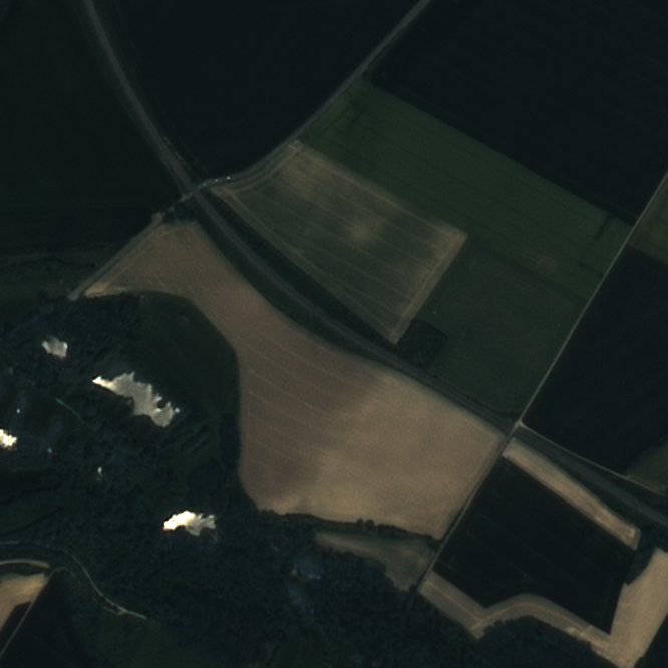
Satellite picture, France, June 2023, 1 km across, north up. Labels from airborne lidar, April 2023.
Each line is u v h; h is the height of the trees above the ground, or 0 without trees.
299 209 0
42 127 0
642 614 0
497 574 0
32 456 19
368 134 0
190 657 0
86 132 0
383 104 0
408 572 0
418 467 0
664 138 0
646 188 0
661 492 0
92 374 0
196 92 0
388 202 0
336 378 0
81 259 0
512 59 0
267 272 0
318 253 0
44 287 0
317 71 0
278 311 0
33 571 0
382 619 20
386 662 33
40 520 9
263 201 0
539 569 0
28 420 0
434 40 0
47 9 0
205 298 0
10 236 0
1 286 0
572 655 35
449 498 0
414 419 0
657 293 0
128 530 12
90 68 0
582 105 0
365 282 0
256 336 0
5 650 0
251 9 0
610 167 0
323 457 0
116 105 0
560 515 0
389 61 0
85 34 0
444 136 0
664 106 0
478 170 0
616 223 0
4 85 0
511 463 0
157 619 24
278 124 0
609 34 0
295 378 0
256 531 29
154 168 0
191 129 0
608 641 0
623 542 0
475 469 0
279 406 0
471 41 0
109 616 0
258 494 0
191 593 20
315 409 0
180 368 0
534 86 0
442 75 0
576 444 0
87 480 8
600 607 0
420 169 0
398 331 0
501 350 0
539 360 0
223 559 30
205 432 10
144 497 18
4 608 0
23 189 0
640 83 0
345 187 0
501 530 0
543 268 0
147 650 0
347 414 0
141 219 0
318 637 0
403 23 0
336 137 0
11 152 0
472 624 0
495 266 0
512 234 0
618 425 0
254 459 0
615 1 0
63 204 0
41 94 0
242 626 22
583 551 0
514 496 0
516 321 0
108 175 0
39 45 0
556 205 0
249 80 0
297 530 25
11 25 0
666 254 0
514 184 0
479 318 0
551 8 0
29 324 26
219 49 0
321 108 0
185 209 19
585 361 0
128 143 0
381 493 0
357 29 0
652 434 0
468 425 0
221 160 0
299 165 0
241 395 0
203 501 21
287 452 0
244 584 34
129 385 0
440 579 0
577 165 0
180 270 0
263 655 26
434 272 0
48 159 0
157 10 0
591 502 0
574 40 0
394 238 0
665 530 6
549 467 0
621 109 0
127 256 0
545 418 0
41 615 0
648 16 0
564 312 0
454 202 0
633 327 0
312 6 0
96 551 8
